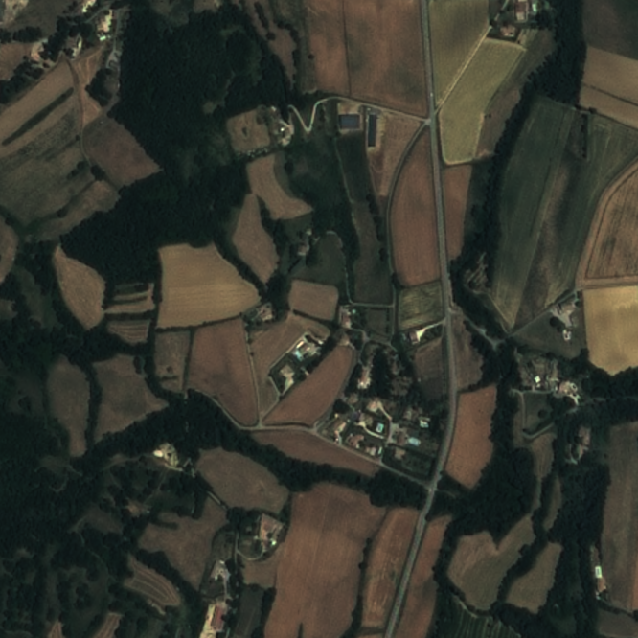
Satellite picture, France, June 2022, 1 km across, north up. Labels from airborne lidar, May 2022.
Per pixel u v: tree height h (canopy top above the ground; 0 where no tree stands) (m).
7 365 9
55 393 0
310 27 0
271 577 0
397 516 0
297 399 0
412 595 0
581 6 14
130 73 18
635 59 0
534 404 0
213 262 0
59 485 11
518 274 0
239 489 0
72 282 0
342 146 0
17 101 0
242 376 0
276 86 14
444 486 9
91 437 11
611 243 0
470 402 0
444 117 0
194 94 18
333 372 0
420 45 0
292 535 0
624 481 0
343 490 0
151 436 13
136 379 0
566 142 0
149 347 13
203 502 12
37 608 12
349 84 0
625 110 0
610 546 0
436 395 0
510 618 29
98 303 0
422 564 0
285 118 15
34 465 13
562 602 9
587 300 0
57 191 0
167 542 0
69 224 0
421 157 0
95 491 13
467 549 0
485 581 0
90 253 18
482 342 16
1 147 0
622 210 0
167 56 19
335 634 0
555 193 0
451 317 0
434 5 0
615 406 11
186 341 0
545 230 0
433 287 0
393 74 0
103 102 11
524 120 9
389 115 0
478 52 0
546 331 0
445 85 0
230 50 14
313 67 0
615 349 0
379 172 0
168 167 12
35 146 0
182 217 14
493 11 0
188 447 16
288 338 0
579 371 8
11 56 0
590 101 0
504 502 9
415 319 0
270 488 0
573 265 0
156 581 0
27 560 14
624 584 0
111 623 0
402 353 9
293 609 0
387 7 0
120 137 0
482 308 11
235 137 0
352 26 0
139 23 16
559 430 7
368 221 0
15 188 0
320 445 0
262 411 0
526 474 20
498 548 0
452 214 0
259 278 8
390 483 6
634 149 0
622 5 0
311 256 10
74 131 0
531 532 0
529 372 0
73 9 9
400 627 0
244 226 0
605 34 0
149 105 7
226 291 0
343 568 0
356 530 0
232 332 0
